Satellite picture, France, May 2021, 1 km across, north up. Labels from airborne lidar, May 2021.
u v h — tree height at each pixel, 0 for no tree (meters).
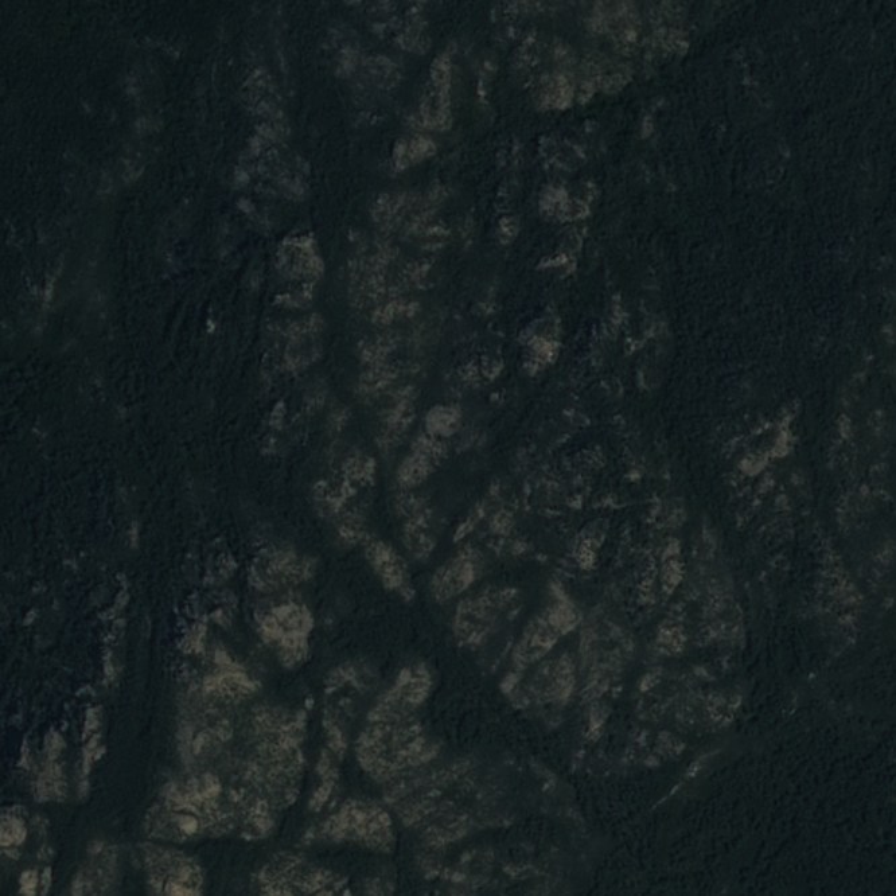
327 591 9
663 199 16
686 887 14
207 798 0
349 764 10
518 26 8
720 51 13
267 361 8
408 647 11
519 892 7
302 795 11
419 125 0
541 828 12
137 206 19
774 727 10
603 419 11
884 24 18
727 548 9
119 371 11
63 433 12
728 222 18
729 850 15
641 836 12
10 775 11
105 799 16
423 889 10
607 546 12
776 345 7
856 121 10
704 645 6
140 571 13
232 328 9
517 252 8
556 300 7
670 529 7
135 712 10
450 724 16
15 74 7
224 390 14
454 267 9
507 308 11
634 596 9
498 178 8
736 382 6
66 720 11
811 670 7
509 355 14
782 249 13
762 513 10
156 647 12
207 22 8
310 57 12
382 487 7
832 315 8
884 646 7
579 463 6
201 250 12
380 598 13
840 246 9
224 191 6
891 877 18
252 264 12
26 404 14
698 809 11
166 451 20
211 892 10
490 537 7
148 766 14
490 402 7
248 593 11
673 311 9
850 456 8
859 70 10
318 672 15
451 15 9
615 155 11
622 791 9
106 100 8
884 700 8
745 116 10
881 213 12
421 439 0
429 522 0
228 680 0
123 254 15
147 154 7
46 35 11
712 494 8
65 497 11
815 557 11
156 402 19
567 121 15
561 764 12
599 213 11
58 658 13
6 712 11
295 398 5
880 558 0
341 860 16
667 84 9
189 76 10
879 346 10
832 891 19
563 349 6
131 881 9
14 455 6
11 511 8
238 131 8
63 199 7
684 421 16
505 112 14
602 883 13
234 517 10
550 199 0
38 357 6
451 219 11
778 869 19
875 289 11
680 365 16
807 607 7
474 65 0
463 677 16
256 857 6
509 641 0
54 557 9
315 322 0
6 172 8
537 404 10
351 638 13
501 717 17
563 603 0
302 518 9
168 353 20
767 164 8
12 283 5
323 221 12
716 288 13
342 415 0
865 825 18
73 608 10
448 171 17
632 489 12
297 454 8
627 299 11
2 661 12
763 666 18
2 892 5
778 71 12
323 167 10
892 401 7
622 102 6
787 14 11
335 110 13
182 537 11
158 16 7
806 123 16
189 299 17
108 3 11
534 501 9
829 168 8
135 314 17
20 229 7
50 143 7
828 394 11
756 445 11
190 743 0
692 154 17
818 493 10
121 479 11
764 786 15
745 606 8
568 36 7
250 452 12
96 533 11
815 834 18
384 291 0
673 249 10
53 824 9
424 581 8
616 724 10
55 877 12
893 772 11
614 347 9
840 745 17
